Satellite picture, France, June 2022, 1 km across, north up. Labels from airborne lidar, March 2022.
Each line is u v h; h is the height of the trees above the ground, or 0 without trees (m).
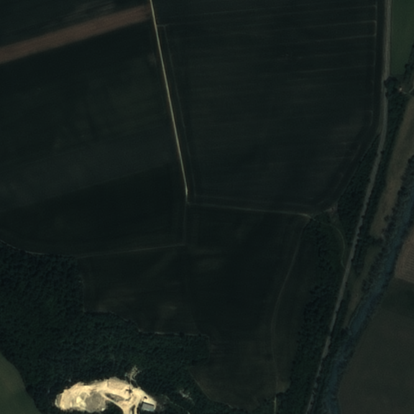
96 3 0
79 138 0
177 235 0
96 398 0
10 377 0
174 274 0
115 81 0
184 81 0
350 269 0
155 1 0
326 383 13
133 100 0
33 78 0
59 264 8
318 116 0
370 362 0
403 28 0
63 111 0
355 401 0
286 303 0
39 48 0
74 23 0
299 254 0
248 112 0
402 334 0
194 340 7
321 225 9
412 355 0
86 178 0
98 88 0
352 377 0
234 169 0
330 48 0
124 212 0
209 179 0
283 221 0
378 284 0
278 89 0
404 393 0
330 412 0
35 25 0
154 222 0
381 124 0
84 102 0
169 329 0
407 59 0
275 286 0
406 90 0
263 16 0
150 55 0
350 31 0
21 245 0
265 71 0
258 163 0
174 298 0
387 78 0
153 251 0
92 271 0
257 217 0
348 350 12
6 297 6
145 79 0
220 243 0
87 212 0
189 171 0
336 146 0
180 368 10
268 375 0
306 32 0
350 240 10
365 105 0
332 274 10
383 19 0
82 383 0
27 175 0
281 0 0
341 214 13
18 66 0
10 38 0
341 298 0
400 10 0
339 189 0
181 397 9
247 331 0
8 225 0
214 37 0
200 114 0
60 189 0
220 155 0
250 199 0
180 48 0
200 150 0
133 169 0
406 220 0
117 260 0
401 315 0
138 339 9
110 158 0
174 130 0
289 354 0
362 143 0
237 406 0
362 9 0
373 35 0
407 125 0
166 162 0
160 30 0
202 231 0
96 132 0
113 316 12
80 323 9
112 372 8
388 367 0
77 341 12
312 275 0
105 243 0
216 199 0
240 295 0
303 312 0
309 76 0
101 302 0
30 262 22
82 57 0
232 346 0
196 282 0
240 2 0
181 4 0
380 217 0
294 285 0
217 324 0
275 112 0
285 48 0
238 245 0
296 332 0
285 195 0
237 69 0
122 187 0
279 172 0
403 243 0
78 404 0
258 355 0
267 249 0
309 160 0
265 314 0
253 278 0
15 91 0
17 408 0
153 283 0
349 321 0
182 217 0
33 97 0
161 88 0
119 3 0
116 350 5
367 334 0
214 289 0
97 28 0
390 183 0
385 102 0
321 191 0
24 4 0
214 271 0
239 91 0
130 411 0
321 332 18
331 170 0
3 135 0
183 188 0
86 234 0
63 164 0
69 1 0
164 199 0
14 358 12
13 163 0
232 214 0
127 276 0
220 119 0
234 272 0
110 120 0
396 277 0
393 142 6
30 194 0
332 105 0
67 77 0
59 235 0
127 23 0
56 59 0
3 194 0
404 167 0
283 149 0
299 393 10
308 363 8
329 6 0
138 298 0
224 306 0
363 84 0
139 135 0
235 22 0
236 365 0
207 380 0
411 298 0
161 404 0
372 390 0
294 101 0
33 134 0
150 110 0
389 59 0
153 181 0
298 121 0
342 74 0
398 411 0
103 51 0
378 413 0
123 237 0
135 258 0
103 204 0
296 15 0
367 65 0
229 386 0
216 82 0
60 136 0
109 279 0
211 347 0
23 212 0
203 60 0
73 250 0
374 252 0
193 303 0
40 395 19
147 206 0
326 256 15
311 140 0
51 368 12
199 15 0
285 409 15
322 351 9
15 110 0
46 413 13
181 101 0
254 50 0
